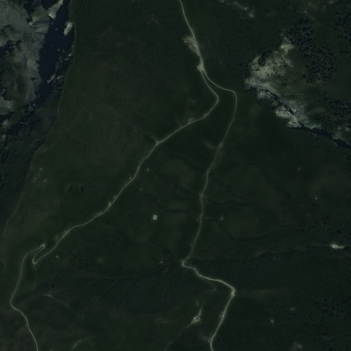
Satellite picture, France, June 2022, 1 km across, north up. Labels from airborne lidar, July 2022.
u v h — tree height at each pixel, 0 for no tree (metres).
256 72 0
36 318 0
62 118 0
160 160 0
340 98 0
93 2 6
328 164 0
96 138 0
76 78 0
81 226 0
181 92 0
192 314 0
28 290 0
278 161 0
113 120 0
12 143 0
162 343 0
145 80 0
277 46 9
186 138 0
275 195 0
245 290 0
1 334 0
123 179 0
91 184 0
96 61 0
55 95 0
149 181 0
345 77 0
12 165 0
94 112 0
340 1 6
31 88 0
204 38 0
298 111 0
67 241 0
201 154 0
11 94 0
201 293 0
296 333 8
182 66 0
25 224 0
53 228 0
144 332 0
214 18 0
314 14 0
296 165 0
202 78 0
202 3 0
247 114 0
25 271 0
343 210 0
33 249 0
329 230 11
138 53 0
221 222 0
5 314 0
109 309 0
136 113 0
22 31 0
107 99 0
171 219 0
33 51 0
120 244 0
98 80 0
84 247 0
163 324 0
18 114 0
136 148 0
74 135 0
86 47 0
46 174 0
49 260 0
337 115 21
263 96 0
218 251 0
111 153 0
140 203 0
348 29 24
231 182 0
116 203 0
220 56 0
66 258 0
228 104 0
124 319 0
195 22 0
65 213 0
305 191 0
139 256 0
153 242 0
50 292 0
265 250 0
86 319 0
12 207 0
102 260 0
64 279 0
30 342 0
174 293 0
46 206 0
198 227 0
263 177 0
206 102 0
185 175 0
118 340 0
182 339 0
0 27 0
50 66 0
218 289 0
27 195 0
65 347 0
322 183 0
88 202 0
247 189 0
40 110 0
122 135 0
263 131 0
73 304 0
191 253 0
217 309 0
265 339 0
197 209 0
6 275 0
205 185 0
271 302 0
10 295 0
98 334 0
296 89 0
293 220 0
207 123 0
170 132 0
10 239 0
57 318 0
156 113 0
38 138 0
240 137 0
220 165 0
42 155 0
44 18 0
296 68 0
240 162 0
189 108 0
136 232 0
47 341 0
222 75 0
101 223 0
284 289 0
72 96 0
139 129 0
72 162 0
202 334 0
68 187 0
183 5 0
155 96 0
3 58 14
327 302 9
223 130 0
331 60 13
